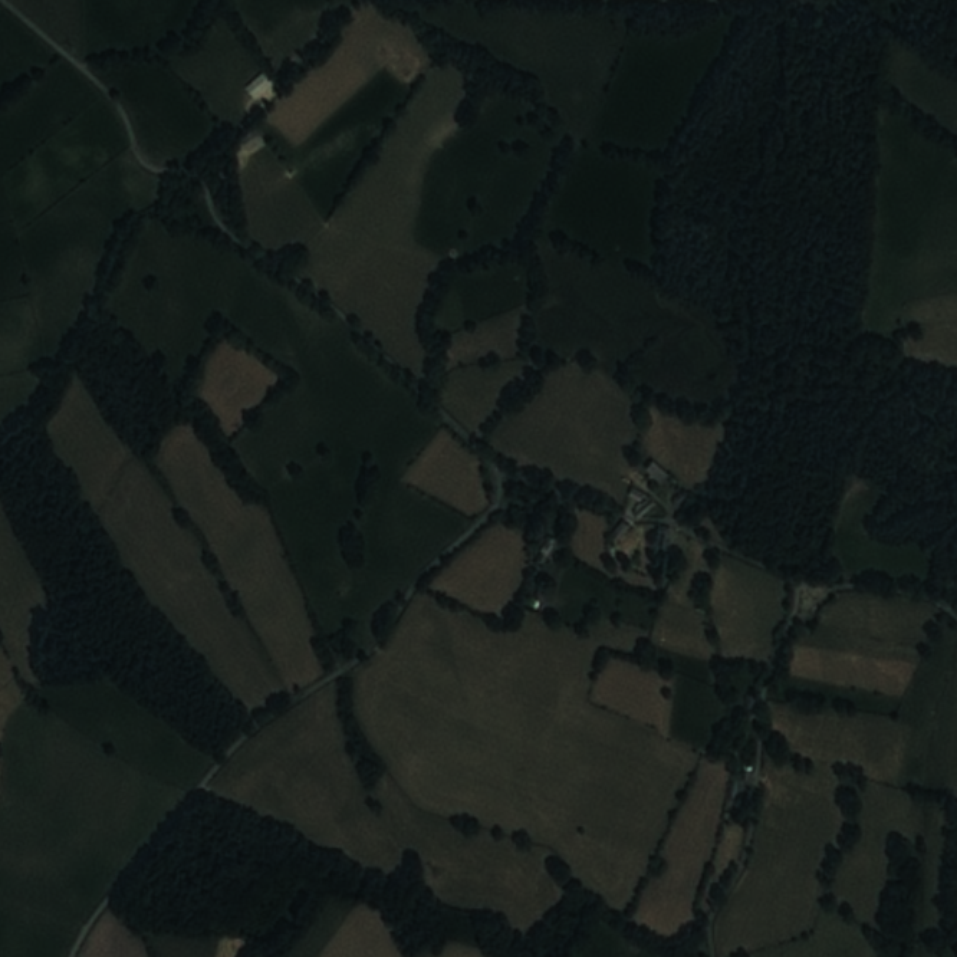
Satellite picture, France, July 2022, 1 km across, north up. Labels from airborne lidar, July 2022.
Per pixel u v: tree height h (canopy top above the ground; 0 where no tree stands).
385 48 0
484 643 0
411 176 0
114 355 24
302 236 0
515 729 0
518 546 0
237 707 17
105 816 0
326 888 17
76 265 0
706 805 0
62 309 0
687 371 0
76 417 0
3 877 0
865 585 21
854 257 31
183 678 19
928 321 0
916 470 28
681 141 17
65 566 22
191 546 0
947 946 23
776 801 0
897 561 0
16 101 14
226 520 0
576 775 0
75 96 0
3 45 0
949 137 22
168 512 0
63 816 0
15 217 0
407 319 0
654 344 9
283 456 0
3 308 0
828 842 0
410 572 0
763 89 10
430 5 20
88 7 0
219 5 23
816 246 27
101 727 0
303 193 0
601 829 0
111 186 0
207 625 0
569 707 0
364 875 7
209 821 17
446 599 16
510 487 16
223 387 0
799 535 14
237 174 17
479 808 0
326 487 0
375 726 0
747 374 23
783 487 25
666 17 28
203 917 23
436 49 19
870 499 0
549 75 0
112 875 0
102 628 28
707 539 17
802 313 21
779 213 25
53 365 21
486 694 0
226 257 0
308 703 0
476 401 0
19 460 26
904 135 0
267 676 0
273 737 0
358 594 0
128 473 0
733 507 19
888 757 0
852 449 34
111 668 28
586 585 0
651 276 26
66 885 0
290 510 0
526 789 0
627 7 16
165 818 0
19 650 0
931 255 0
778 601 0
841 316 37
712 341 0
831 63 23
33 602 0
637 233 0
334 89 0
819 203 24
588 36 0
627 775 0
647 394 21
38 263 0
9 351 0
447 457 0
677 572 18
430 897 23
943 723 0
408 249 0
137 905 22
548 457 0
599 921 17
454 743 0
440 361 20
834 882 8
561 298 0
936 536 30
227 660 0
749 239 18
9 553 0
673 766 0
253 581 0
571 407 0
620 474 0
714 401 0
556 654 0
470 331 12
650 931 16
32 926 0
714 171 9
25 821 0
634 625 0
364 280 0
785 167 26
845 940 0
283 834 22
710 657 0
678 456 0
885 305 0
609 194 0
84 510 23
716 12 20
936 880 0
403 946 14
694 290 26
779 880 0
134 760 0
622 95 0
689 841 0
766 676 11
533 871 0
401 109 10
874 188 24
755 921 0
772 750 23
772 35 27
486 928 23
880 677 0
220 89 0
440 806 0
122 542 0
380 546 0
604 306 0
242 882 23
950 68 28
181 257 0
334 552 0
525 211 0
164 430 19
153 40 0
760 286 28
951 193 0
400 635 0
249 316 0
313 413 0
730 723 10
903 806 0
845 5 0
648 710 0
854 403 26
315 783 0
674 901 0
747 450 21
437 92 0
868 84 25
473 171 0
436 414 20
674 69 0
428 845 0
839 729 0
